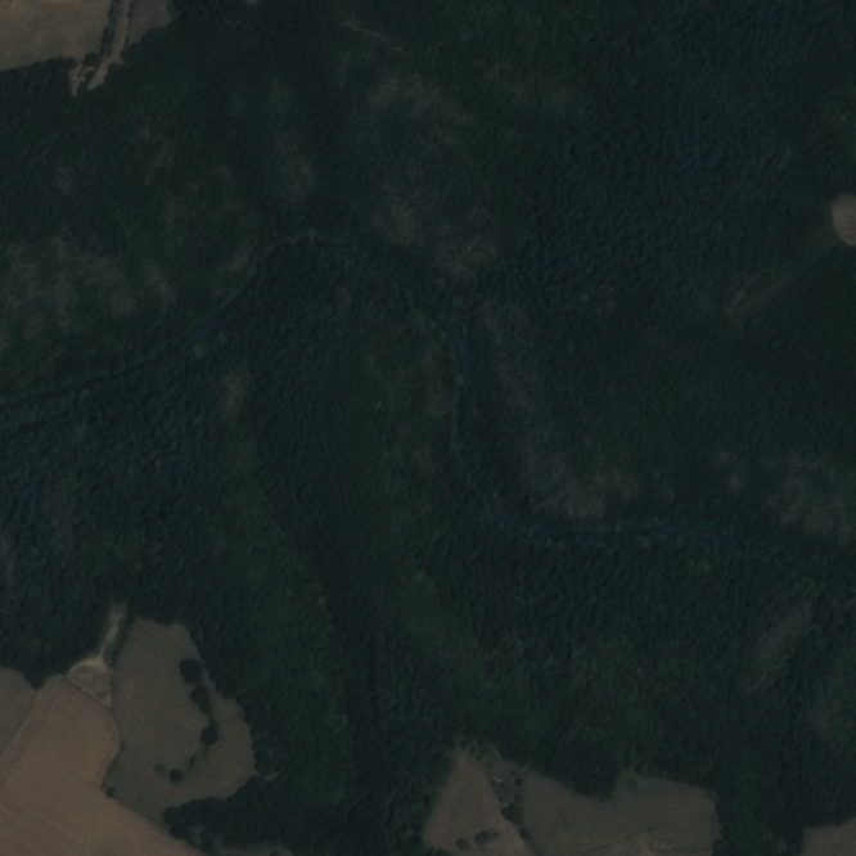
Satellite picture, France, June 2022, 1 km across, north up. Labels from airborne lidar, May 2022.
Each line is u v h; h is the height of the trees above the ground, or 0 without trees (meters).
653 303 10
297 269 15
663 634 13
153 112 7
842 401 9
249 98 7
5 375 17
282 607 15
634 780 0
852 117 18
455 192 11
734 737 10
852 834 0
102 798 0
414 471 8
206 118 13
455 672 10
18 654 19
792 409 16
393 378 10
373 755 29
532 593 6
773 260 8
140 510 21
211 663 18
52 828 0
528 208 22
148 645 0
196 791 0
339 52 8
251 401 10
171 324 17
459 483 18
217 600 14
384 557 14
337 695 15
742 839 15
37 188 13
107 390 26
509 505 25
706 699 10
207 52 10
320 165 12
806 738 10
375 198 7
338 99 14
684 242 7
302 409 9
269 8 13
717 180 10
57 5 0
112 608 0
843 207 0
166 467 12
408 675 9
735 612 14
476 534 8
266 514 8
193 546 13
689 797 0
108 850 0
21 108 12
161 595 20
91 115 11
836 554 15
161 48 15
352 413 13
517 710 11
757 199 16
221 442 9
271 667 13
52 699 0
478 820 0
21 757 0
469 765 0
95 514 10
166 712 0
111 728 0
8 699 0
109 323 17
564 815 0
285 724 16
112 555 16
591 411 7
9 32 0
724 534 22
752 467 7
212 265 15
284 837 14
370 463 11
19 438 10
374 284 27
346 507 11
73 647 15
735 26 7
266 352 15
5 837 0
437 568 20
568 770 14
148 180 12
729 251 12
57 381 17
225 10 13
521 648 12
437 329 17
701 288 10
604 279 11
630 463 8
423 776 12
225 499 13
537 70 8
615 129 25
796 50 12
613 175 20
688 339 7
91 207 12
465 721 10
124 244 10
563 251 9
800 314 13
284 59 13
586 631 14
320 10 7
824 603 28
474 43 9
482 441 21
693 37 22
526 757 9
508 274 18
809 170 12
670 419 12
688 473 13
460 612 14
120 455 8
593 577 18
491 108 13
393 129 13
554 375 8
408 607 9
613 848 0
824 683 12
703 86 11
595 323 8
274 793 19
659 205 12
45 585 20
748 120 14
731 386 13
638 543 23
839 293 12
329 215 21
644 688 15
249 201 14
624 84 25
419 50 7
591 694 16
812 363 11
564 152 15
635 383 6
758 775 18
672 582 21
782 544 23
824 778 9
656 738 13
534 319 15
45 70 11
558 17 18
